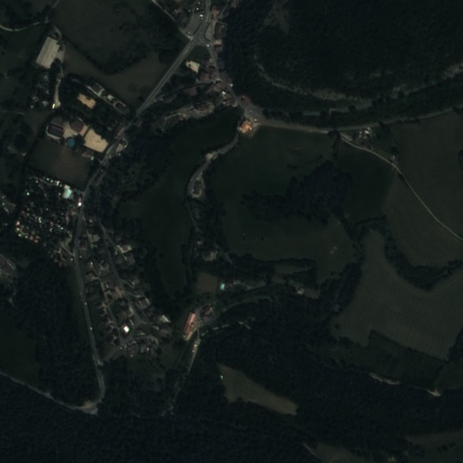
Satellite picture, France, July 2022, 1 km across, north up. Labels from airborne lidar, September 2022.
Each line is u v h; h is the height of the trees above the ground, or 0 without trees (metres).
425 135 0
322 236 0
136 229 28
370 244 0
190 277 10
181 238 0
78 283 0
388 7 20
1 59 0
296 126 0
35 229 6
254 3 10
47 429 28
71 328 10
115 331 11
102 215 10
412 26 7
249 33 16
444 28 17
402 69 6
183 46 0
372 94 15
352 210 0
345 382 19
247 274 8
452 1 12
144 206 0
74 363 29
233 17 18
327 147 0
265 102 10
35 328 26
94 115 13
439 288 0
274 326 21
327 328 9
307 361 18
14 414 29
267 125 0
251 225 0
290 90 9
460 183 0
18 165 8
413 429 20
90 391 17
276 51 11
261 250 0
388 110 13
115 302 6
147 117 15
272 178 0
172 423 32
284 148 0
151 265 11
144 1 0
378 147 0
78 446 28
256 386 0
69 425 16
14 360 0
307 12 13
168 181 0
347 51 10
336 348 0
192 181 0
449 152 0
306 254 0
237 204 0
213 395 11
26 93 0
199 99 17
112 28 0
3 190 8
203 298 7
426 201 0
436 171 0
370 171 0
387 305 0
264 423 17
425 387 8
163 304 8
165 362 0
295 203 25
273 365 16
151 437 35
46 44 0
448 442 0
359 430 16
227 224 0
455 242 0
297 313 11
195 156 0
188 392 15
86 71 0
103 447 23
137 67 0
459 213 0
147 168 14
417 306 0
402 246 0
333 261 0
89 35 0
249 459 27
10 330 0
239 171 0
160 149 23
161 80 0
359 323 0
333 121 17
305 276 7
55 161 0
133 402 16
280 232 0
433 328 0
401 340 0
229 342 14
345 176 34
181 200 0
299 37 11
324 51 21
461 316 0
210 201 16
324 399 14
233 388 0
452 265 9
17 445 24
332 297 18
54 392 10
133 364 0
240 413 18
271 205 26
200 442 26
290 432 22
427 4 10
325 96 17
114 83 0
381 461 21
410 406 14
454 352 22
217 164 21
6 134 6
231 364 16
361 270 18
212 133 0
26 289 18
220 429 30
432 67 7
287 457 19
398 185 0
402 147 0
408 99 13
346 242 0
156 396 13
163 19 9
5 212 13
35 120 0
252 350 19
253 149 0
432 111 8
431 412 17
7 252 16
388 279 0
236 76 11
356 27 9
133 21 0
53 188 10
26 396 25
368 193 0
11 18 16
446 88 20
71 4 0
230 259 7
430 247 0
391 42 13
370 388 18
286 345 21
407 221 0
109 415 14
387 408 17
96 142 0
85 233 0
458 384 0
